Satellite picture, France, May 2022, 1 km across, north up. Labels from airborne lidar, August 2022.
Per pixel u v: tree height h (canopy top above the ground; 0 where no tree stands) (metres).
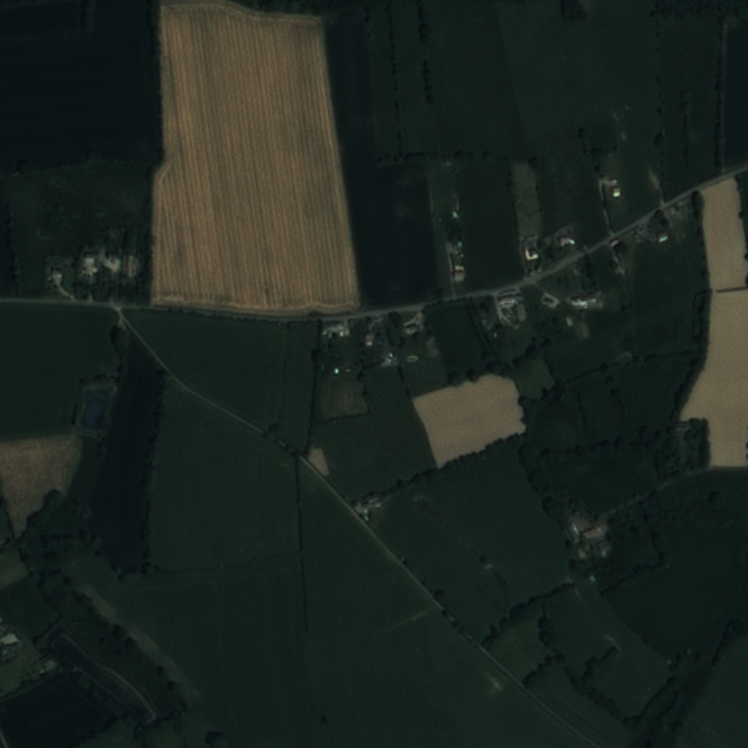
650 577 14
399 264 0
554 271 0
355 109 0
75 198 0
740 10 16
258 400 0
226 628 0
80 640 0
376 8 10
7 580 0
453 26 0
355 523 0
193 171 0
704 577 0
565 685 0
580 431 0
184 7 0
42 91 0
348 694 0
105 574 0
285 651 0
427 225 0
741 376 0
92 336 0
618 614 0
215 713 0
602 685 0
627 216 0
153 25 14
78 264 12
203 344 0
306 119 0
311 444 6
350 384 0
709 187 0
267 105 0
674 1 14
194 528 0
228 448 0
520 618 20
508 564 0
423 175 0
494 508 0
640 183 0
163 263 0
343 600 0
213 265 0
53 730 0
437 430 0
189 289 0
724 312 0
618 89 0
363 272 0
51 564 21
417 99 0
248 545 0
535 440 0
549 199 0
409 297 0
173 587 0
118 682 0
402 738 0
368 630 0
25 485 0
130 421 0
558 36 0
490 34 0
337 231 0
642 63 0
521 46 0
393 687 0
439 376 0
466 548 0
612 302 0
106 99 0
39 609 0
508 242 0
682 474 8
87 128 0
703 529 0
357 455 0
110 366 0
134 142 0
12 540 11
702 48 0
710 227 0
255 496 0
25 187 0
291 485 0
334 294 0
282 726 0
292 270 0
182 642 0
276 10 14
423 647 0
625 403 6
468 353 0
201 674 0
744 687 0
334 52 0
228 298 0
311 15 12
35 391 0
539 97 0
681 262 0
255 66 0
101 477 0
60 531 0
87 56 0
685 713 7
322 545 0
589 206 0
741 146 0
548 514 17
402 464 0
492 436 0
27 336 0
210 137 0
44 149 0
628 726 13
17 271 12
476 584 0
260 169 0
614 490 0
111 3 0
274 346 0
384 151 0
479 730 0
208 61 0
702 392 0
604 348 0
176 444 0
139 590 0
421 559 0
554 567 0
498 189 0
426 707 0
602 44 0
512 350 0
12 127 0
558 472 0
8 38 0
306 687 0
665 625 0
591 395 0
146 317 0
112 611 0
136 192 0
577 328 0
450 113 0
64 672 10
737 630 19
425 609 0
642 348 0
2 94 0
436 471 9
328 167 0
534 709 0
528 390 0
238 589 0
